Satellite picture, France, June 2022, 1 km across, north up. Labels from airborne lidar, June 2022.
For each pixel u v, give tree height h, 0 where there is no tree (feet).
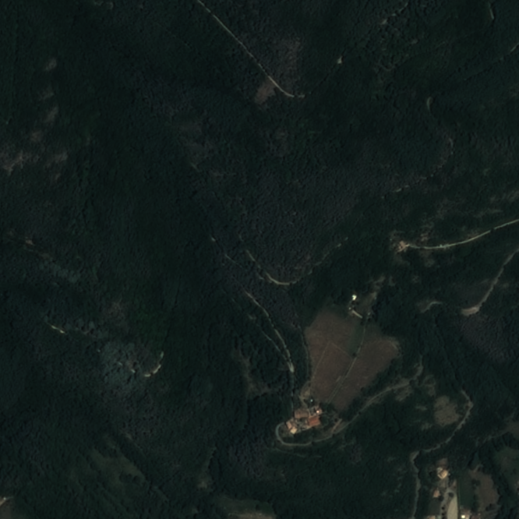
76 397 60
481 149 31
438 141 30
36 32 54
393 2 77
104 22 46
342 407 0
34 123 56
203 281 80
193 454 57
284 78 31
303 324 19
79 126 59
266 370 54
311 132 41
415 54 33
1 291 34
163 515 34
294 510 39
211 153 29
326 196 53
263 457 30
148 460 45
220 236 55
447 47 34
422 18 75
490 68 59
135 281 48
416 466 25
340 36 66
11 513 0
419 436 29
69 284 53
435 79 40
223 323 62
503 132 46
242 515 0
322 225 50
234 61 49
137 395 50
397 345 0
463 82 48
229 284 49
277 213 55
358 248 29
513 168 18
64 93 47
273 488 19
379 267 32
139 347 40
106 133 57
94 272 52
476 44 33
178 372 39
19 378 108
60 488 38
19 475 32
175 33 50
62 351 53
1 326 91
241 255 55
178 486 36
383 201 49
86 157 47
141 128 72
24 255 50
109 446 63
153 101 28
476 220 34
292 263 40
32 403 81
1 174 40
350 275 79
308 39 49
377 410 20
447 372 54
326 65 63
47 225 43
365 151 56
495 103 21
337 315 0
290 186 55
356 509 41
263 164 58
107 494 41
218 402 60
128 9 54
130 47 58
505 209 23
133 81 65
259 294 32
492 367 77
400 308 47
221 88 62
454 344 89
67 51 60
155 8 51
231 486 31
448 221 34
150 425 55
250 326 69
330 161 62
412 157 68
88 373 56
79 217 55
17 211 50
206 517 54
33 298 53
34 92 33
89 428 89
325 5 65
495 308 41
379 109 72
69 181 59
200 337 54
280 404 25
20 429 84
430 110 29
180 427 32
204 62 73
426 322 87
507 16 70
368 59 35
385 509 25
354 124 49
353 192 58
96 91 53
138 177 71
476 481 18
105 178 73
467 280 19
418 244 27
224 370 65
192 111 48
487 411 34
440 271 37
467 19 38
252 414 64
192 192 52
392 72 21
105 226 70
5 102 41
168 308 111
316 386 0
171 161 71
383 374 35
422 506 43
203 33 36
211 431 52
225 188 38
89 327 54
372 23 75
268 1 38
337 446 21
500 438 30
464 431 41
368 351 0
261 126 40
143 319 45
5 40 56
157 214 60
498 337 69
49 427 57
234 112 77
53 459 65
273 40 30
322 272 33
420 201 39
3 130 37
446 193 23
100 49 88
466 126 28
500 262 20
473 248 19
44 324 48
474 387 69
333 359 0
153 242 73
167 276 72
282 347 26
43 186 33
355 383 0
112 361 64
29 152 30
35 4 56
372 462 31
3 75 60
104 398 35
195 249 68
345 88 77
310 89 39
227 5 54
